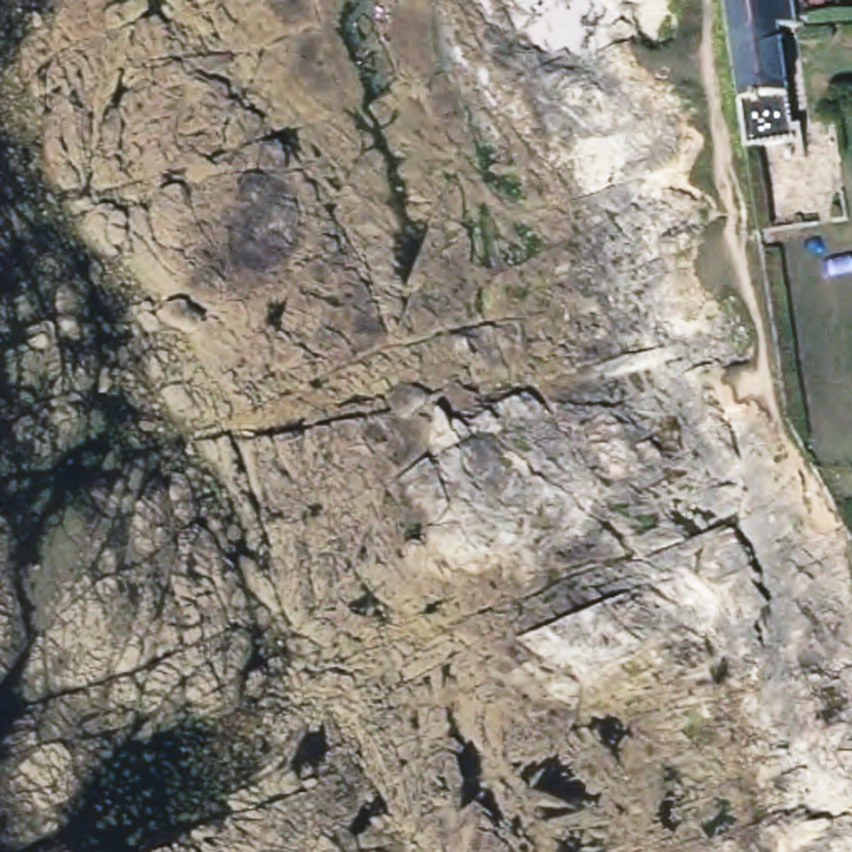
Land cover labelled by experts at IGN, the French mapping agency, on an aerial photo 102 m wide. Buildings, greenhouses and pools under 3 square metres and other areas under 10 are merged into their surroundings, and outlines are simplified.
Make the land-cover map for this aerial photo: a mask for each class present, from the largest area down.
<instances>
[{"label":"bare soil","instance_id":"1","mask_svg":"<svg viewBox=\"0 0 852 852\"><path fill-rule=\"evenodd\" d=\"M672 0H0V679L10 666L20 669L27 696V712L17 719V736H7L10 762H0V815L10 819V829L20 842L43 839L60 829L57 805H63L87 779V772L110 759L123 739H150L160 729L200 716L216 732H236V752L253 759L260 765V775L250 789L230 795V815L223 825L193 829L190 835H180L173 845L156 852H852V536L839 519L835 503L822 486L815 466L802 459L799 446L789 439L772 383L769 343L759 346L755 336H746V326L736 316H726L719 310V303L699 286L696 276L702 223L726 220V203L719 190L702 193V186L689 180V170L702 150V136L689 123V110L672 93V87L656 83L646 67L636 63L632 53V37H659V27H679V13L669 10Z\"/></svg>","mask_w":852,"mask_h":852},{"label":"herbaceous vegetation","instance_id":"2","mask_svg":"<svg viewBox=\"0 0 852 852\"><path fill-rule=\"evenodd\" d=\"M669 10L679 13V27H659V37H632V53L636 63L646 67L656 83L672 87V93L689 110V123L702 136V150L689 170V180L702 186V193L719 190L712 170L716 143L709 126V100L699 73V40L702 33H712L716 43L719 100L722 120L729 126L732 160L746 156L749 146H742L736 116V77L726 37V0H672ZM795 73L805 80L809 97L799 107L805 110L809 123L822 120L819 100L829 90V80L835 73H852V30L805 37L802 43H795ZM789 250L812 439L822 456L842 459V469L835 476L852 493V203L845 210V223H822L819 236L782 240ZM726 220L702 223L696 276L699 286L719 303V310L726 316H736L746 326V336H755V323L739 293L736 270L726 250ZM746 256L769 343L772 383L782 373V363L772 286L765 270V243H749Z\"/></svg>","mask_w":852,"mask_h":852},{"label":"water","instance_id":"3","mask_svg":"<svg viewBox=\"0 0 852 852\"><path fill-rule=\"evenodd\" d=\"M27 712V696L20 669L10 666L0 679V762H10L7 736H17V719ZM236 732H216L200 716L160 729L150 739H123L110 759L87 772V779L63 805H57L60 829L43 839L20 842L10 829V819L0 815V852H156L173 845L180 835H190L193 829L223 825L230 815V795L250 789L260 775V765L253 759L236 752Z\"/></svg>","mask_w":852,"mask_h":852},{"label":"pervious surface","instance_id":"4","mask_svg":"<svg viewBox=\"0 0 852 852\"><path fill-rule=\"evenodd\" d=\"M699 73L709 100V126L716 143L712 170L719 190L726 203V250L736 270L739 293L755 323V336L759 346L769 343L746 256L749 243H765L782 240L819 236L822 223H845V210L852 203V143L839 153L835 126L822 120L809 123L812 146H802V136L789 133L772 136L765 146L775 190L772 226L749 230V203L736 180L732 160L729 126L722 120L719 100L716 43L712 33H702L699 40Z\"/></svg>","mask_w":852,"mask_h":852},{"label":"brushwood","instance_id":"5","mask_svg":"<svg viewBox=\"0 0 852 852\"><path fill-rule=\"evenodd\" d=\"M852 30V0H822L819 10L802 13L799 30L792 33L795 43H802L805 37ZM822 120L835 126L839 153L852 143V73H835L829 80V90L819 100ZM736 180L749 203V230L772 226L775 190L765 146H749L746 156L732 160ZM765 270L772 286L782 363V373L772 383L789 439L799 446L802 459L815 466L822 486L835 503L839 519L852 536V493L835 476L842 469V459L822 456L812 439L789 250L782 240L765 243Z\"/></svg>","mask_w":852,"mask_h":852},{"label":"building","instance_id":"6","mask_svg":"<svg viewBox=\"0 0 852 852\"><path fill-rule=\"evenodd\" d=\"M822 0H726V37L736 77V116L742 146H765L772 136L789 133L802 136V146H812L809 123L805 110L799 107L809 97L805 80L795 73V43L792 33L799 30L802 13L819 10Z\"/></svg>","mask_w":852,"mask_h":852}]
</instances>
